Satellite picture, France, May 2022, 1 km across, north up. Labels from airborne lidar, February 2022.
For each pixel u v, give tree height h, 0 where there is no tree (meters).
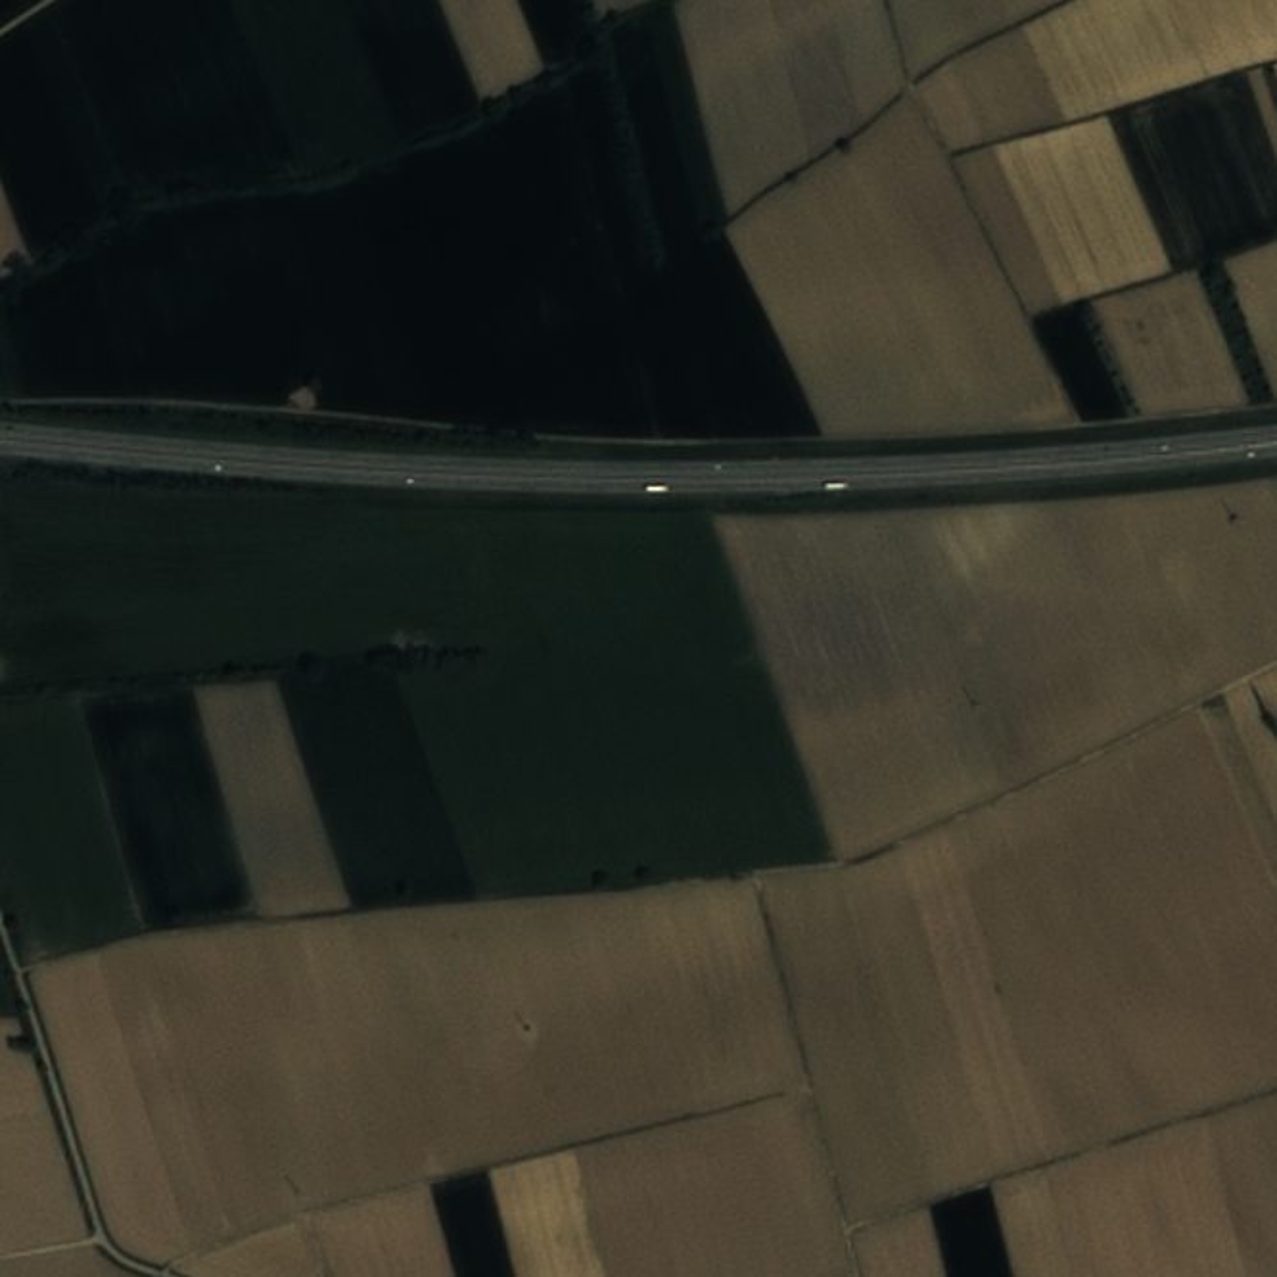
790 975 0
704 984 0
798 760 0
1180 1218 0
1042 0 0
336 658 0
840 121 0
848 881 0
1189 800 0
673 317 0
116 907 0
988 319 0
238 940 0
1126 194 0
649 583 0
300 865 0
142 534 0
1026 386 0
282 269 0
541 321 0
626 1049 0
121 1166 0
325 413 0
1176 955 0
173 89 0
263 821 0
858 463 0
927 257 0
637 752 0
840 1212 0
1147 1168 0
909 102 0
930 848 0
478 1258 0
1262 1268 0
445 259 0
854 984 0
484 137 0
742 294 0
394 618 0
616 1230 0
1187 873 0
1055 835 0
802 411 0
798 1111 0
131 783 0
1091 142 0
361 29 0
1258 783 0
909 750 0
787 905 0
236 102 0
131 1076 0
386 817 0
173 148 0
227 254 0
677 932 0
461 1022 0
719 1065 0
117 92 0
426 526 0
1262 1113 0
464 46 0
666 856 0
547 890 0
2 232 0
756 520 0
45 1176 0
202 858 0
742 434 0
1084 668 0
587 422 0
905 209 0
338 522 0
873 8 0
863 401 0
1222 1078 0
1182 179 0
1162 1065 0
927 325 0
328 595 0
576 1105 0
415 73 0
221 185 0
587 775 0
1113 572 0
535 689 0
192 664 0
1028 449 0
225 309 0
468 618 0
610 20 9
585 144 0
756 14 0
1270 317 0
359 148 0
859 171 0
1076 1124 0
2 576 0
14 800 0
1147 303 0
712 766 0
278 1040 0
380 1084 0
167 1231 0
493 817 0
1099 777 0
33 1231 0
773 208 0
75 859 0
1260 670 0
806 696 0
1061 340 0
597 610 0
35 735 0
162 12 0
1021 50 0
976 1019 0
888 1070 0
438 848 0
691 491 0
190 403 0
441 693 0
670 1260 0
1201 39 0
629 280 0
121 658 0
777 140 0
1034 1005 0
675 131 0
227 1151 0
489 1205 0
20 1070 0
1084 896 0
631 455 0
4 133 0
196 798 0
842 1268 0
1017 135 0
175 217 0
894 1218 0
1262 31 0
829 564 0
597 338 0
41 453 0
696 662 0
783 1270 0
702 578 0
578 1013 0
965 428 0
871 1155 0
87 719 0
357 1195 0
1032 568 0
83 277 0
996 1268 0
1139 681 0
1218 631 0
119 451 0
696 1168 0
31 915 0
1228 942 0
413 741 0
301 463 0
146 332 0
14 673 0
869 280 0
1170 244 0
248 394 0
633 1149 0
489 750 0
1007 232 0
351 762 0
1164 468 0
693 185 0
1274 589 0
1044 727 0
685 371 0
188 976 0
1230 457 0
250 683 0
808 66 0
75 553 0
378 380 0
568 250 0
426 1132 0
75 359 0
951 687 0
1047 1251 0
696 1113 0
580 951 0
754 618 0
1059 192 0
